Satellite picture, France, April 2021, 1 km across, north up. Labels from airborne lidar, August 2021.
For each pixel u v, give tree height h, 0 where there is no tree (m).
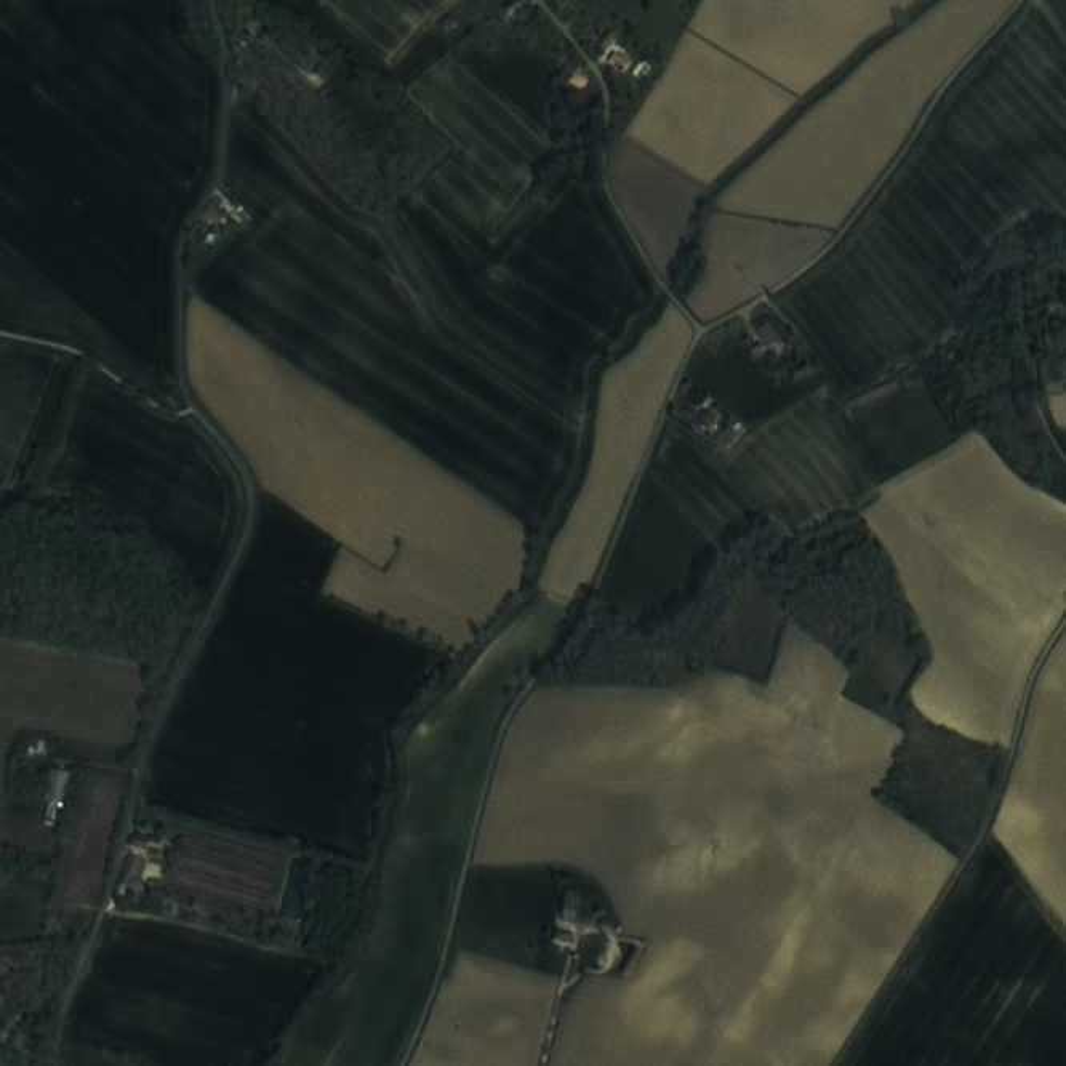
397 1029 0
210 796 0
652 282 0
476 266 0
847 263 0
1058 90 0
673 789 0
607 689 18
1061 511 0
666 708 0
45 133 0
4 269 0
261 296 0
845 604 18
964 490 0
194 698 0
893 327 0
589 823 0
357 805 0
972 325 16
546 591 0
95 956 0
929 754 0
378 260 0
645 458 0
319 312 0
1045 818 0
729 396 0
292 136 13
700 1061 0
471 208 0
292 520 0
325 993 16
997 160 0
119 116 0
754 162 0
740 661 0
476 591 0
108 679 0
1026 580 0
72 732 0
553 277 0
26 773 14
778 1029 0
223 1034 0
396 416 0
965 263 0
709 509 0
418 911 0
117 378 0
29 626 21
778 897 0
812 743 0
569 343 0
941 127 0
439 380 0
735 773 0
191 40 16
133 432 0
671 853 0
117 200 0
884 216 0
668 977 0
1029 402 18
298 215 0
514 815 0
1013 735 0
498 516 0
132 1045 0
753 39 0
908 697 8
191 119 0
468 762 0
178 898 7
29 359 0
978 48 0
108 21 0
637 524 0
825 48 0
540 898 0
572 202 0
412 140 18
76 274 0
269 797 0
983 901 0
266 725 0
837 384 0
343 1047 0
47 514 23
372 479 0
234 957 0
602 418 0
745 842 0
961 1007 0
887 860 0
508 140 0
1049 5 0
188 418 0
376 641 0
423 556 0
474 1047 0
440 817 0
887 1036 0
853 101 0
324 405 0
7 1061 23
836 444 0
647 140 0
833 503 0
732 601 14
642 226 0
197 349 0
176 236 0
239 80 16
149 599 22
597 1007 0
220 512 0
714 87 0
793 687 0
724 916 0
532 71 0
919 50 0
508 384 0
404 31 0
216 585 0
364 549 0
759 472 0
